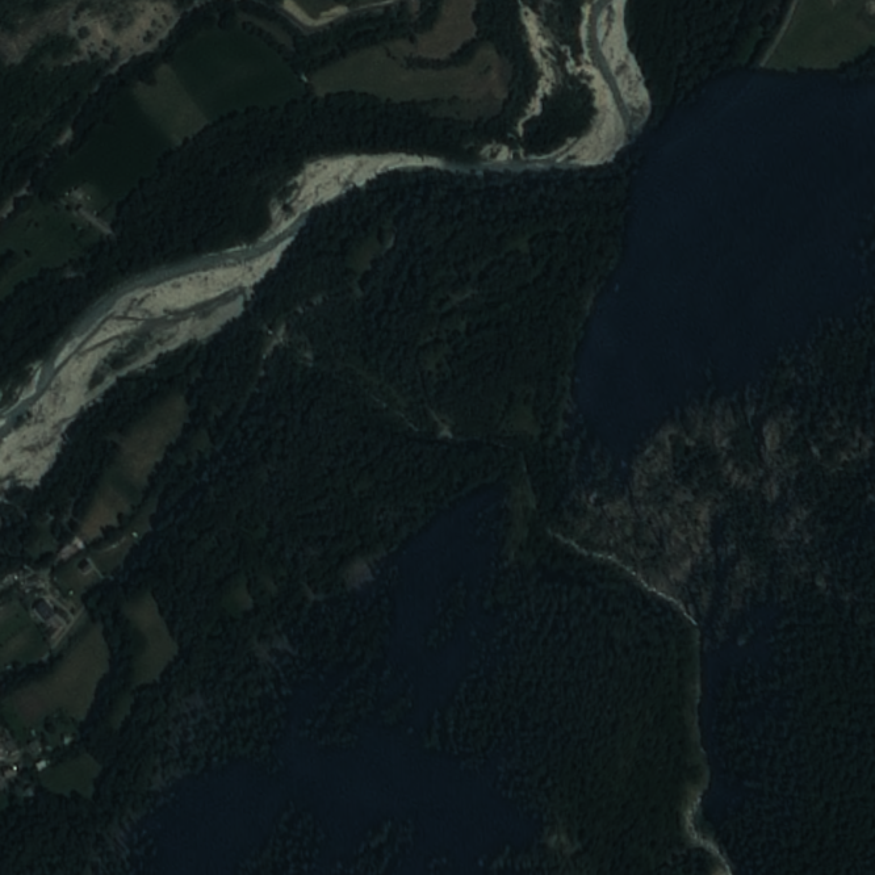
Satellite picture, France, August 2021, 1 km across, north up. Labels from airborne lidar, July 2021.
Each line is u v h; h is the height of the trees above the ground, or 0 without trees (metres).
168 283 0
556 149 0
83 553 7
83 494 7
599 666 22
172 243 21
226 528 16
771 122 20
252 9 17
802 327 11
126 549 0
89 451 13
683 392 7
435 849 27
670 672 17
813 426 13
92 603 13
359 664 20
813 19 0
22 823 20
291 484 18
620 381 13
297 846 25
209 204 17
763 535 8
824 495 11
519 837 29
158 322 0
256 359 18
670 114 17
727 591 8
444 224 18
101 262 27
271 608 7
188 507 29
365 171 0
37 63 9
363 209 16
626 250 16
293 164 7
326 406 21
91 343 0
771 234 8
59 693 0
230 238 12
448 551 25
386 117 20
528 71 12
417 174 13
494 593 15
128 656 16
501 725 23
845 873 19
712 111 15
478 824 24
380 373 13
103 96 22
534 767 21
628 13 6
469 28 0
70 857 20
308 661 6
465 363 15
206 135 16
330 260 19
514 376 15
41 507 15
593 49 0
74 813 23
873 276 8
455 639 12
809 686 25
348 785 7
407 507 10
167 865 19
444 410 11
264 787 19
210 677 8
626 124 0
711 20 13
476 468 17
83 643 0
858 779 20
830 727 19
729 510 9
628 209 25
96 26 0
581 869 10
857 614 23
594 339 0
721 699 23
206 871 7
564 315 7
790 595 10
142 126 0
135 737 16
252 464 22
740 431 7
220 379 21
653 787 25
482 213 25
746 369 10
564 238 18
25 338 27
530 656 25
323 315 15
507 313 15
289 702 9
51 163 18
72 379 0
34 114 10
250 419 18
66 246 0
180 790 9
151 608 0
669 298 9
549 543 16
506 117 10
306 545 21
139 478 0
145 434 0
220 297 0
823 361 7
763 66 0
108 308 0
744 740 21
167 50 8
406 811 14
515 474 12
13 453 0
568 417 0
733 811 22
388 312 22
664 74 9
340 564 13
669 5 8
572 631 21
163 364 7
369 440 18
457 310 13
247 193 7
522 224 20
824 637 24
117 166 0
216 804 14
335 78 0
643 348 12
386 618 25
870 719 23
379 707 6
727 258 9
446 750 15
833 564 6
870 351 13
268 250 0
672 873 31
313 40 11
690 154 18
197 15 21
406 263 21
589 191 27
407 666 28
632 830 23
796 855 25
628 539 9
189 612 26
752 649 13
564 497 6
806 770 24
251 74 0
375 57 0
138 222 26
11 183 18
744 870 12
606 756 18
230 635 18
